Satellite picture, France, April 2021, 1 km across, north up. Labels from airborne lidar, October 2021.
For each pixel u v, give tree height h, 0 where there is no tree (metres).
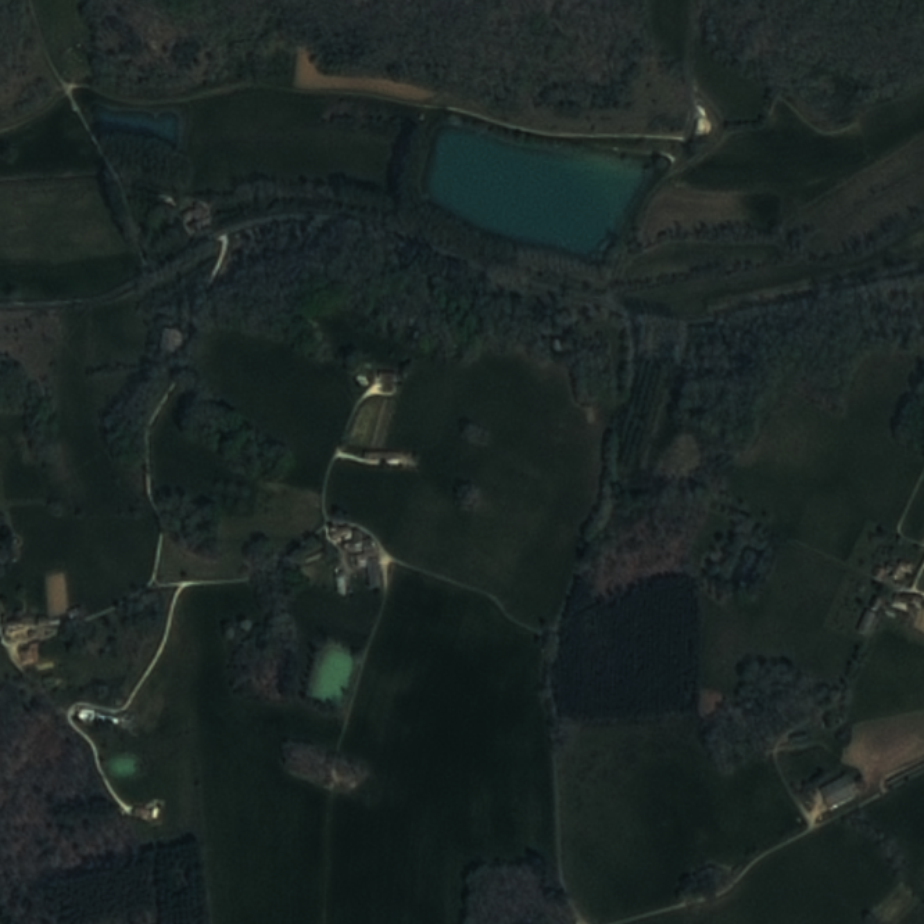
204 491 0
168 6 19
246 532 0
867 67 17
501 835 0
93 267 0
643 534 8
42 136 0
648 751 0
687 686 11
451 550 0
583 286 11
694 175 0
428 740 0
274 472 20
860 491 0
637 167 0
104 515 0
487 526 0
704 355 15
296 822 0
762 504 0
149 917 19
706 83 0
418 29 17
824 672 0
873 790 0
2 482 0
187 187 17
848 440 0
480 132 12
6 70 17
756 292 0
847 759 0
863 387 0
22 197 0
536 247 0
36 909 12
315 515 0
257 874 0
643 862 0
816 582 0
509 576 0
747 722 19
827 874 0
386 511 0
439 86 12
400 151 0
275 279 19
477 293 25
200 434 22
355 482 0
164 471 0
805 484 0
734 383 20
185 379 21
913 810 0
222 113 0
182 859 13
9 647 0
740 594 19
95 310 0
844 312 20
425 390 0
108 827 8
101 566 0
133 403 21
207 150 0
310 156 0
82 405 0
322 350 15
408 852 0
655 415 22
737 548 13
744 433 20
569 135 0
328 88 0
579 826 0
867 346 14
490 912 17
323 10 17
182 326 10
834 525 0
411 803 0
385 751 0
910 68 21
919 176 0
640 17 17
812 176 0
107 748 7
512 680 0
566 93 16
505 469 0
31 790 9
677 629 12
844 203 0
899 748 0
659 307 0
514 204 0
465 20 19
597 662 10
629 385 16
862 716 0
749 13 18
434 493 0
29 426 11
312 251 13
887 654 0
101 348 0
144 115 0
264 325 20
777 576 0
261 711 0
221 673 0
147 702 0
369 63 18
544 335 18
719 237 15
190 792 0
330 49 14
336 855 0
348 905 0
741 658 0
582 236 0
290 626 16
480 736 0
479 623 0
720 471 6
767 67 15
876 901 0
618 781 0
